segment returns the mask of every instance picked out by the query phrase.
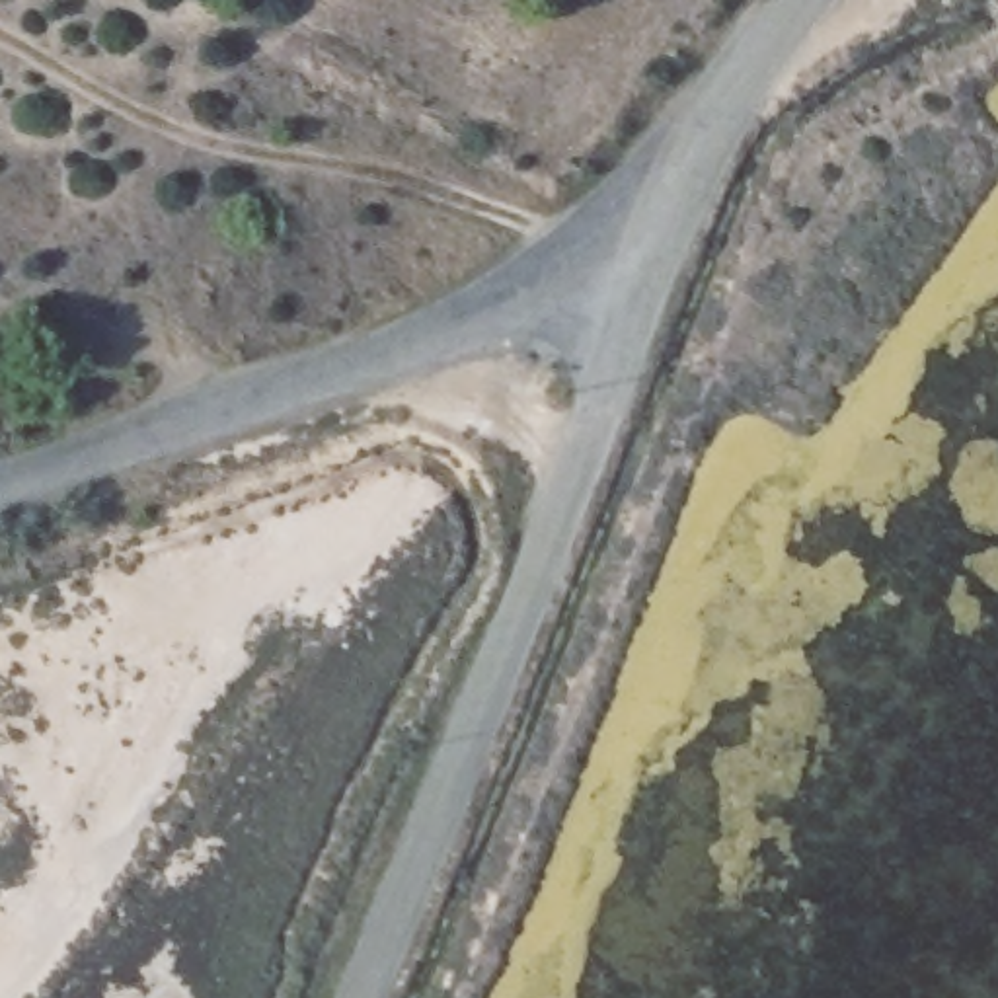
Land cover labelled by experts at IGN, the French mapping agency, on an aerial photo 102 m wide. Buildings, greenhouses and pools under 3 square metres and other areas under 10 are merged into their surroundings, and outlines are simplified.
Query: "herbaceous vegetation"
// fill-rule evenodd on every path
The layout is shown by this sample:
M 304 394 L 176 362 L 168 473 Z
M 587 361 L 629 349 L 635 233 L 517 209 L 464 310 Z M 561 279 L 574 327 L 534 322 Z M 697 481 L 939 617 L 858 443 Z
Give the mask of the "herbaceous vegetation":
M 27 713 L 35 694 L 19 686 L 23 663 L 0 671 L 0 717 Z
M 31 811 L 16 799 L 23 784 L 12 784 L 16 772 L 0 772 L 0 834 L 31 819 Z
M 253 441 L 218 444 L 207 452 L 207 460 L 160 456 L 152 464 L 125 468 L 117 480 L 125 515 L 105 530 L 86 526 L 74 515 L 74 499 L 66 495 L 47 503 L 55 526 L 66 538 L 58 538 L 47 550 L 23 550 L 19 542 L 0 534 L 0 624 L 4 608 L 23 608 L 47 620 L 51 608 L 58 608 L 58 581 L 74 585 L 74 593 L 90 593 L 94 569 L 136 573 L 144 565 L 144 534 L 148 526 L 168 518 L 168 507 L 226 487 L 234 476 L 273 468 L 281 460 L 300 460 L 324 448 L 331 437 L 363 433 L 374 425 L 405 425 L 413 413 L 409 405 L 374 409 L 366 402 L 347 398 L 339 413 L 292 421 L 288 437 L 265 433 Z
M 191 522 L 203 526 L 203 542 L 211 546 L 234 534 L 257 534 L 257 522 L 246 515 L 246 507 L 253 503 L 269 503 L 273 515 L 296 515 L 304 507 L 347 499 L 351 491 L 359 491 L 359 483 L 382 480 L 390 472 L 421 476 L 425 460 L 437 460 L 441 437 L 425 433 L 409 441 L 359 448 L 327 472 L 308 472 L 277 487 L 257 487 L 238 495 L 234 503 L 191 515 Z
M 366 589 L 351 600 L 347 620 L 363 639 L 374 639 L 378 600 Z
M 316 616 L 292 616 L 285 624 L 285 632 L 300 639 L 304 651 L 324 651 L 331 643 L 347 647 L 351 635 L 343 624 L 327 628 Z
M 448 191 L 452 175 L 468 179 L 480 191 L 522 203 L 538 214 L 557 214 L 620 168 L 632 140 L 655 121 L 667 97 L 717 55 L 729 23 L 749 0 L 312 0 L 312 8 L 300 19 L 253 43 L 250 31 L 218 31 L 218 16 L 199 0 L 0 0 L 0 316 L 39 296 L 39 324 L 47 324 L 58 335 L 62 374 L 74 386 L 70 409 L 78 417 L 94 413 L 97 405 L 129 409 L 148 398 L 160 386 L 160 370 L 148 363 L 144 351 L 144 320 L 152 312 L 179 316 L 187 335 L 195 339 L 195 351 L 207 355 L 214 366 L 230 370 L 246 363 L 320 347 L 339 331 L 370 331 L 398 324 L 417 308 L 429 308 L 441 296 L 456 296 L 483 273 L 491 273 L 518 250 L 522 238 L 507 226 L 460 211 L 464 195 Z M 101 43 L 101 19 L 113 8 L 133 12 L 148 27 L 144 39 L 125 55 L 113 55 Z M 66 129 L 51 136 L 23 133 L 12 113 L 23 105 L 27 94 L 47 94 L 51 86 L 70 97 Z M 195 121 L 191 94 L 199 90 L 218 90 L 234 97 L 234 113 L 222 129 Z M 464 160 L 456 148 L 472 117 L 499 125 L 499 144 L 480 164 Z M 70 187 L 70 152 L 82 152 L 90 160 L 113 160 L 129 148 L 144 152 L 144 160 L 140 168 L 121 175 L 109 195 L 94 199 Z M 261 222 L 261 242 L 250 253 L 226 250 L 218 242 L 207 195 L 199 191 L 195 203 L 183 211 L 164 211 L 156 199 L 156 183 L 172 172 L 199 172 L 211 164 L 234 164 L 230 172 L 242 191 L 250 195 L 250 218 Z
M 487 971 L 499 955 L 491 947 L 491 928 L 495 920 L 511 924 L 526 873 L 534 869 L 538 842 L 530 834 L 542 819 L 542 799 L 550 787 L 557 791 L 565 784 L 569 756 L 577 752 L 589 717 L 596 674 L 612 659 L 616 635 L 628 632 L 628 589 L 643 573 L 643 554 L 655 546 L 651 526 L 667 503 L 663 487 L 651 487 L 643 503 L 624 499 L 620 507 L 616 534 L 600 554 L 596 581 L 589 585 L 577 608 L 577 624 L 565 647 L 569 678 L 561 702 L 554 706 L 554 749 L 546 764 L 526 768 L 511 787 L 499 834 L 491 838 L 487 858 L 476 873 L 476 889 L 483 893 L 483 901 L 464 904 L 456 912 L 456 936 L 444 951 L 437 979 L 421 990 L 421 998 L 472 998 L 487 982 Z
M 468 495 L 480 538 L 476 581 L 456 596 L 456 604 L 441 616 L 441 628 L 425 639 L 402 694 L 394 698 L 382 721 L 378 741 L 370 745 L 363 768 L 355 772 L 335 807 L 327 846 L 316 858 L 300 904 L 316 908 L 331 873 L 339 869 L 339 862 L 347 862 L 355 823 L 374 803 L 374 776 L 382 768 L 382 756 L 390 745 L 398 745 L 409 729 L 425 721 L 425 710 L 437 698 L 441 678 L 448 674 L 460 643 L 468 639 L 472 624 L 483 616 L 491 600 L 503 546 L 518 554 L 522 538 L 499 534 L 495 491 L 472 487 Z
M 702 390 L 713 390 L 725 386 L 725 363 L 756 363 L 764 347 L 791 339 L 791 327 L 768 324 L 749 308 L 749 281 L 764 273 L 772 261 L 791 265 L 795 257 L 811 257 L 815 246 L 834 242 L 846 218 L 881 191 L 877 164 L 889 160 L 893 136 L 912 136 L 916 129 L 940 133 L 951 129 L 959 117 L 986 121 L 998 133 L 998 0 L 986 0 L 994 27 L 951 51 L 920 51 L 916 86 L 901 86 L 897 78 L 881 74 L 877 86 L 838 94 L 834 105 L 819 109 L 795 133 L 791 148 L 780 148 L 768 136 L 768 148 L 745 183 L 745 203 L 733 238 L 717 257 L 717 277 L 710 285 L 710 296 L 702 300 L 702 312 L 694 316 L 694 331 L 678 363 L 702 374 Z
M 47 441 L 47 425 L 8 429 L 0 417 L 0 456 L 27 452 L 31 444 Z
M 136 854 L 125 873 L 136 873 L 144 885 L 156 889 L 168 885 L 164 869 L 172 858 L 168 850 L 160 850 L 160 838 L 172 834 L 179 815 L 195 803 L 191 787 L 179 780 L 164 784 L 164 803 L 156 803 L 152 819 L 140 826 Z

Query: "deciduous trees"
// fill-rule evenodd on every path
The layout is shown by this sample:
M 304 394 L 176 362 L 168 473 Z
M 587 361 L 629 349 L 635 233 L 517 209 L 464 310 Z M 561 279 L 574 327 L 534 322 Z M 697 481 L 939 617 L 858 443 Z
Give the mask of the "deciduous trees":
M 47 425 L 47 441 L 66 437 L 66 429 L 78 417 L 70 409 L 74 386 L 62 374 L 58 335 L 47 324 L 39 324 L 39 296 L 0 316 L 0 417 L 8 429 Z
M 101 476 L 70 487 L 66 495 L 74 499 L 74 515 L 86 526 L 105 530 L 125 515 L 117 480 Z
M 218 16 L 218 31 L 250 31 L 253 43 L 300 19 L 312 8 L 312 0 L 199 0 Z
M 66 538 L 55 526 L 47 503 L 12 503 L 0 511 L 0 534 L 19 542 L 23 550 L 47 550 L 58 538 Z
M 250 253 L 261 242 L 261 222 L 250 218 L 250 195 L 242 191 L 230 199 L 207 195 L 218 242 L 226 250 Z

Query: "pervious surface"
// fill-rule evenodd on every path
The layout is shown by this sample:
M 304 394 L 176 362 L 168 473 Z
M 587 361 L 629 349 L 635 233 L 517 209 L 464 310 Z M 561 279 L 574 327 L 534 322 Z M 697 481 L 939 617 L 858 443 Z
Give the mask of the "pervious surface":
M 144 963 L 148 990 L 113 986 L 105 990 L 105 998 L 195 998 L 187 982 L 175 975 L 172 943 L 164 943 L 152 955 L 152 963 Z
M 807 35 L 807 43 L 768 86 L 764 105 L 772 113 L 799 90 L 819 86 L 838 66 L 846 66 L 854 43 L 881 39 L 885 31 L 893 31 L 916 0 L 846 0 Z
M 998 530 L 998 444 L 971 441 L 951 480 L 951 495 L 963 518 L 979 530 Z
M 869 518 L 873 534 L 885 534 L 889 511 L 936 476 L 943 429 L 912 413 L 912 386 L 924 374 L 924 355 L 940 343 L 943 324 L 975 312 L 982 300 L 998 292 L 998 187 L 979 207 L 967 234 L 955 242 L 955 250 L 924 285 L 904 320 L 885 335 L 873 363 L 846 386 L 842 409 L 826 429 L 819 429 L 815 437 L 795 437 L 756 413 L 741 413 L 725 421 L 713 444 L 706 448 L 702 472 L 678 518 L 674 546 L 663 561 L 663 577 L 628 651 L 616 702 L 581 776 L 581 791 L 565 815 L 550 873 L 542 881 L 534 912 L 526 916 L 522 936 L 515 940 L 511 967 L 491 998 L 577 998 L 585 943 L 600 893 L 612 885 L 620 869 L 616 838 L 635 795 L 635 784 L 647 784 L 674 768 L 678 749 L 710 725 L 717 702 L 741 698 L 749 682 L 768 682 L 768 702 L 752 710 L 749 741 L 737 749 L 721 749 L 713 756 L 721 838 L 710 846 L 710 858 L 721 869 L 721 893 L 749 893 L 752 877 L 760 873 L 752 846 L 760 838 L 776 842 L 776 850 L 791 850 L 791 826 L 784 819 L 756 819 L 756 795 L 795 795 L 807 729 L 823 713 L 823 694 L 811 678 L 803 651 L 819 628 L 838 624 L 838 616 L 850 604 L 862 600 L 865 573 L 854 554 L 834 554 L 823 565 L 795 561 L 787 557 L 787 542 L 803 538 L 803 522 L 819 507 L 858 507 Z
M 191 522 L 191 515 L 234 503 L 238 495 L 257 487 L 277 487 L 308 472 L 327 472 L 359 448 L 409 441 L 425 433 L 441 437 L 437 460 L 456 472 L 468 495 L 472 487 L 495 491 L 495 480 L 480 464 L 480 456 L 464 448 L 464 429 L 476 429 L 487 441 L 503 441 L 507 448 L 515 448 L 530 464 L 534 480 L 554 468 L 550 448 L 557 444 L 557 409 L 546 394 L 554 378 L 522 359 L 464 363 L 441 370 L 429 382 L 405 382 L 370 394 L 366 402 L 374 409 L 409 405 L 413 413 L 405 425 L 374 425 L 363 433 L 331 437 L 324 448 L 300 460 L 281 460 L 273 468 L 234 476 L 226 487 L 168 507 L 168 518 L 148 526 L 144 534 L 144 565 L 136 573 L 94 569 L 90 593 L 74 593 L 74 585 L 58 581 L 58 608 L 51 608 L 47 620 L 23 608 L 4 608 L 0 624 L 0 671 L 23 663 L 19 686 L 35 694 L 27 713 L 0 717 L 0 772 L 16 772 L 12 784 L 23 784 L 16 799 L 31 811 L 31 819 L 39 823 L 31 869 L 23 885 L 0 893 L 0 998 L 35 998 L 43 994 L 47 979 L 66 963 L 70 943 L 94 928 L 97 912 L 105 912 L 105 893 L 121 885 L 125 873 L 136 854 L 140 826 L 152 819 L 156 803 L 164 803 L 164 784 L 179 780 L 187 764 L 183 741 L 199 725 L 203 710 L 211 710 L 222 698 L 222 690 L 246 671 L 246 643 L 261 639 L 273 624 L 285 624 L 292 616 L 316 616 L 327 628 L 343 624 L 347 620 L 351 600 L 366 589 L 390 577 L 390 554 L 405 538 L 413 538 L 425 526 L 425 518 L 444 503 L 441 487 L 421 476 L 390 472 L 382 480 L 359 483 L 359 491 L 351 491 L 347 499 L 304 507 L 296 515 L 273 515 L 269 503 L 253 503 L 246 507 L 246 515 L 257 522 L 257 534 L 234 534 L 211 546 L 203 542 L 203 526 Z
M 460 211 L 507 226 L 522 238 L 546 238 L 554 226 L 561 226 L 557 214 L 538 214 L 522 203 L 480 191 L 468 179 L 452 175 L 448 191 L 464 195 Z
M 183 885 L 222 850 L 218 838 L 195 838 L 187 850 L 172 858 L 164 869 L 168 885 Z
M 152 409 L 160 409 L 199 390 L 218 390 L 234 378 L 246 378 L 246 363 L 230 370 L 214 366 L 207 355 L 195 351 L 195 339 L 187 335 L 179 316 L 152 312 L 144 320 L 144 351 L 148 363 L 160 370 L 160 386 L 148 398 Z

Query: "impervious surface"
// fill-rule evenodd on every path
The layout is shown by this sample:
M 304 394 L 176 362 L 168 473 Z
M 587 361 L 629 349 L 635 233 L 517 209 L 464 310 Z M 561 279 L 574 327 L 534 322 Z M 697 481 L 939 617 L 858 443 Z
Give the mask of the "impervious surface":
M 398 324 L 370 331 L 339 331 L 320 347 L 246 363 L 246 378 L 234 378 L 218 390 L 199 390 L 160 409 L 152 409 L 148 398 L 129 409 L 97 405 L 94 413 L 78 417 L 66 429 L 66 437 L 47 441 L 31 444 L 27 452 L 0 456 L 0 511 L 12 503 L 47 503 L 66 495 L 70 487 L 101 476 L 117 480 L 125 468 L 152 464 L 160 456 L 207 460 L 207 452 L 218 444 L 253 441 L 265 433 L 288 437 L 292 421 L 339 413 L 347 398 L 366 402 L 370 394 L 405 382 L 429 382 L 441 370 L 464 363 L 522 359 L 554 378 L 546 394 L 557 409 L 557 444 L 550 448 L 554 468 L 534 480 L 522 538 L 518 554 L 503 608 L 487 628 L 476 663 L 452 702 L 452 713 L 441 729 L 441 745 L 433 749 L 429 772 L 394 846 L 390 869 L 363 920 L 355 955 L 339 975 L 335 998 L 398 998 L 409 982 L 413 963 L 421 959 L 421 943 L 433 924 L 433 908 L 441 904 L 441 893 L 448 885 L 448 873 L 460 862 L 476 784 L 487 780 L 499 764 L 499 729 L 518 710 L 538 632 L 554 620 L 557 600 L 565 593 L 573 554 L 593 515 L 593 499 L 608 476 L 620 433 L 651 366 L 651 351 L 667 320 L 671 292 L 713 222 L 717 199 L 737 168 L 745 136 L 772 113 L 764 105 L 768 86 L 807 43 L 807 35 L 846 0 L 749 0 L 729 23 L 717 55 L 667 97 L 655 121 L 632 140 L 620 168 L 557 214 L 561 226 L 554 226 L 546 238 L 522 238 L 518 250 L 491 273 L 483 273 L 456 296 L 441 296 L 429 308 L 417 308 Z

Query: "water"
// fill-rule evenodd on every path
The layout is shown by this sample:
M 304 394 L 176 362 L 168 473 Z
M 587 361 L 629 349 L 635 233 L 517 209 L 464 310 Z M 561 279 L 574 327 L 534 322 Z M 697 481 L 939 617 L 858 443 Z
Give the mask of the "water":
M 749 741 L 752 710 L 768 702 L 768 682 L 749 682 L 741 698 L 717 702 L 710 725 L 678 749 L 674 768 L 647 784 L 635 784 L 635 795 L 616 838 L 620 869 L 612 885 L 600 893 L 585 943 L 577 998 L 998 998 L 998 530 L 979 530 L 963 518 L 951 495 L 951 480 L 971 441 L 998 444 L 998 292 L 982 300 L 975 312 L 943 324 L 940 343 L 924 355 L 924 374 L 912 386 L 912 413 L 943 429 L 936 476 L 889 511 L 885 534 L 873 534 L 869 518 L 858 507 L 819 507 L 803 522 L 803 538 L 787 542 L 787 557 L 795 561 L 823 565 L 834 554 L 854 554 L 865 573 L 862 600 L 850 604 L 838 616 L 838 624 L 819 628 L 803 651 L 811 678 L 823 694 L 823 713 L 807 729 L 795 795 L 756 795 L 756 819 L 784 819 L 791 826 L 791 850 L 776 850 L 776 842 L 760 838 L 752 846 L 760 873 L 752 877 L 749 893 L 721 893 L 721 869 L 710 858 L 710 846 L 721 838 L 713 756 L 721 749 L 737 749 Z

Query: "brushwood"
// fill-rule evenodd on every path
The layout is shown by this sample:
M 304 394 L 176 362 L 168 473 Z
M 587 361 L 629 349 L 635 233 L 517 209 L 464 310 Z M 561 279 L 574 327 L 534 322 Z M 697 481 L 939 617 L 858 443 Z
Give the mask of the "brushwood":
M 31 819 L 0 834 L 0 893 L 23 885 L 31 869 L 39 823 Z
M 378 600 L 374 639 L 363 639 L 347 620 L 343 624 L 351 635 L 347 647 L 331 643 L 324 651 L 304 651 L 300 639 L 285 632 L 285 624 L 273 624 L 261 639 L 246 643 L 246 671 L 222 690 L 222 698 L 211 710 L 203 710 L 199 725 L 183 741 L 187 764 L 179 780 L 191 787 L 195 803 L 179 815 L 172 834 L 160 838 L 160 850 L 168 850 L 172 858 L 187 850 L 195 838 L 218 838 L 222 850 L 183 885 L 168 885 L 156 889 L 144 885 L 136 873 L 125 873 L 121 885 L 105 893 L 105 912 L 97 912 L 94 928 L 70 943 L 66 963 L 47 979 L 43 994 L 35 998 L 105 998 L 105 990 L 113 986 L 148 990 L 144 963 L 152 963 L 152 955 L 164 943 L 172 943 L 175 975 L 187 982 L 195 998 L 335 998 L 339 975 L 355 955 L 363 920 L 390 869 L 394 846 L 429 772 L 433 749 L 441 745 L 441 729 L 452 713 L 452 702 L 476 663 L 487 628 L 503 608 L 518 554 L 503 546 L 491 600 L 483 616 L 472 624 L 468 639 L 460 643 L 448 674 L 441 678 L 437 698 L 425 710 L 425 721 L 409 729 L 398 745 L 390 745 L 382 756 L 382 768 L 374 776 L 374 803 L 355 823 L 347 862 L 339 862 L 339 869 L 331 873 L 316 908 L 300 904 L 316 858 L 327 846 L 335 807 L 355 772 L 363 768 L 370 745 L 378 741 L 382 721 L 394 698 L 402 694 L 425 639 L 441 628 L 441 616 L 456 604 L 456 596 L 476 581 L 480 538 L 468 495 L 456 472 L 437 460 L 425 460 L 421 476 L 441 487 L 444 503 L 425 518 L 425 526 L 413 538 L 405 538 L 390 554 L 390 577 L 366 589 Z
M 480 164 L 499 144 L 499 125 L 472 117 L 456 148 L 464 160 Z
M 109 195 L 121 175 L 140 168 L 144 160 L 144 152 L 129 148 L 113 160 L 90 160 L 82 152 L 70 152 L 70 187 L 94 199 Z
M 101 19 L 101 43 L 113 55 L 125 55 L 144 39 L 148 27 L 133 12 L 113 8 Z
M 464 448 L 480 456 L 480 464 L 495 480 L 495 491 L 499 534 L 522 538 L 534 480 L 530 464 L 515 448 L 507 448 L 503 441 L 487 441 L 476 429 L 464 429 Z
M 791 148 L 795 133 L 819 109 L 834 105 L 838 94 L 877 86 L 881 74 L 897 78 L 901 86 L 916 86 L 920 51 L 951 51 L 994 27 L 986 0 L 916 0 L 893 31 L 885 31 L 881 39 L 854 43 L 846 66 L 838 66 L 819 86 L 799 90 L 772 113 L 745 136 L 737 168 L 717 199 L 713 222 L 671 292 L 667 320 L 651 351 L 651 366 L 620 433 L 608 476 L 593 499 L 593 515 L 573 554 L 565 593 L 557 600 L 554 620 L 538 632 L 518 710 L 499 729 L 499 764 L 487 780 L 476 784 L 460 862 L 448 873 L 448 885 L 441 893 L 441 904 L 433 908 L 433 924 L 421 943 L 421 959 L 413 963 L 409 982 L 398 998 L 421 998 L 421 990 L 437 979 L 444 951 L 456 936 L 456 912 L 464 904 L 483 901 L 483 893 L 476 889 L 476 873 L 487 858 L 491 838 L 499 834 L 511 787 L 526 768 L 546 764 L 554 749 L 554 706 L 561 702 L 569 678 L 565 647 L 577 624 L 577 608 L 589 585 L 596 581 L 600 554 L 616 534 L 620 507 L 624 499 L 643 503 L 651 487 L 663 487 L 667 503 L 651 526 L 655 546 L 643 554 L 643 573 L 628 589 L 628 632 L 616 635 L 612 659 L 596 674 L 589 717 L 577 752 L 569 756 L 565 784 L 557 791 L 550 787 L 542 799 L 542 819 L 530 834 L 538 842 L 534 869 L 526 873 L 511 924 L 495 920 L 491 928 L 491 947 L 499 955 L 487 971 L 487 982 L 472 998 L 491 998 L 511 967 L 515 940 L 522 936 L 526 916 L 534 912 L 542 881 L 550 873 L 565 815 L 581 791 L 581 776 L 616 702 L 628 651 L 663 577 L 663 561 L 674 546 L 678 518 L 702 472 L 706 448 L 713 444 L 725 421 L 741 413 L 756 413 L 795 437 L 815 437 L 819 429 L 826 429 L 842 409 L 846 386 L 873 363 L 885 335 L 904 320 L 924 285 L 955 250 L 955 242 L 967 234 L 979 207 L 998 187 L 998 133 L 986 121 L 959 117 L 951 129 L 940 133 L 916 129 L 912 136 L 893 136 L 889 160 L 877 164 L 881 191 L 846 218 L 834 242 L 815 246 L 811 257 L 795 257 L 791 265 L 772 261 L 764 273 L 749 281 L 749 308 L 768 324 L 791 327 L 791 339 L 764 347 L 756 363 L 725 363 L 725 386 L 713 390 L 702 390 L 702 374 L 678 363 L 694 331 L 694 316 L 702 312 L 702 300 L 710 296 L 710 285 L 717 277 L 717 257 L 733 238 L 745 203 L 745 183 L 768 148 L 768 136 L 780 148 Z
M 191 94 L 195 121 L 222 129 L 234 113 L 234 97 L 218 90 L 199 90 Z
M 51 136 L 66 129 L 70 97 L 51 86 L 47 94 L 27 94 L 23 105 L 12 113 L 23 133 Z
M 195 203 L 199 191 L 207 195 L 230 199 L 242 191 L 230 172 L 234 164 L 211 164 L 199 172 L 172 172 L 156 183 L 156 199 L 164 211 L 183 211 Z

